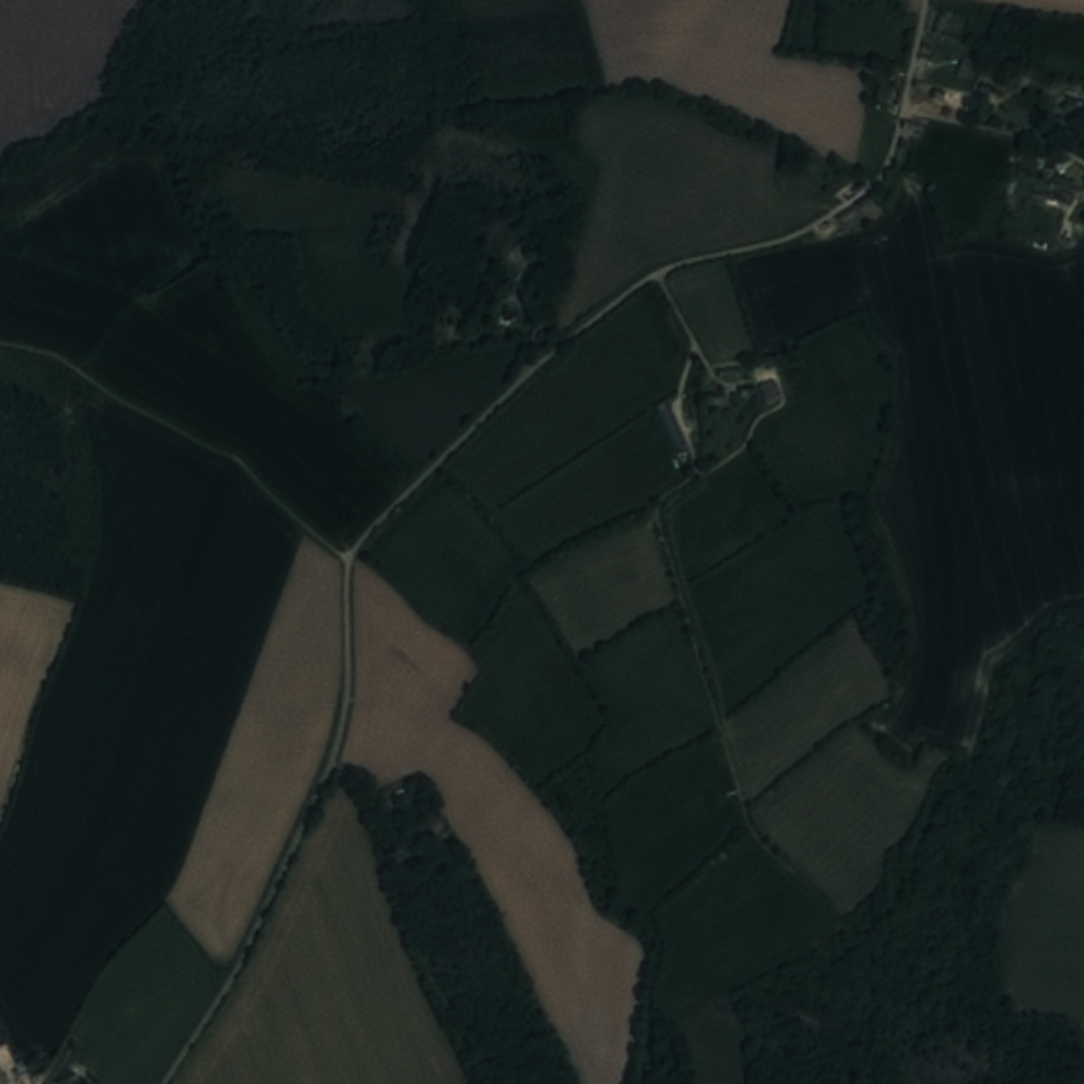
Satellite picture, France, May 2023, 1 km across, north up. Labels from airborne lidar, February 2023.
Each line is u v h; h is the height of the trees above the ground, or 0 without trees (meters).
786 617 0
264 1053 0
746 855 0
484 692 0
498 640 0
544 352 11
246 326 6
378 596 0
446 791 0
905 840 8
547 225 15
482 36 0
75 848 0
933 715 0
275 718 0
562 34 0
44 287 0
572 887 0
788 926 0
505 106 11
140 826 0
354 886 0
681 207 0
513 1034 17
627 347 0
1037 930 0
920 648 0
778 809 0
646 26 0
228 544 0
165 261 0
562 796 10
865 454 0
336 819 0
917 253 0
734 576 0
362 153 15
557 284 18
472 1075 15
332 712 0
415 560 0
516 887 0
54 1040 0
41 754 0
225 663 0
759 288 0
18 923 0
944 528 0
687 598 0
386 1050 0
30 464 13
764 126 14
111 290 0
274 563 0
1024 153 14
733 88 0
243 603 0
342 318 0
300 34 7
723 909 0
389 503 0
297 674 0
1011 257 0
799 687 0
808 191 0
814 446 0
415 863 14
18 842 0
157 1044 0
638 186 0
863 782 0
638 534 0
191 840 0
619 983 0
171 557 0
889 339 0
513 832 0
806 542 0
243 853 0
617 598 0
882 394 0
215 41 11
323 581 0
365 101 8
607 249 0
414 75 11
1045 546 0
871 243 0
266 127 11
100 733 0
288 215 0
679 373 0
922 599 0
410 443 0
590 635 0
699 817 0
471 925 18
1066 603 0
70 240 0
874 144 0
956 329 0
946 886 9
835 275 0
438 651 0
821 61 12
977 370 0
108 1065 0
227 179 0
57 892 0
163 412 0
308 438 0
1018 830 24
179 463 0
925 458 0
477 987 18
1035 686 9
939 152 0
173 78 13
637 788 0
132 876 0
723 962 0
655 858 0
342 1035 0
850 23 0
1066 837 0
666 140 0
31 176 11
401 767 0
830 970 6
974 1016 15
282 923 0
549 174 15
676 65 0
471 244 15
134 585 0
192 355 0
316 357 18
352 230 0
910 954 9
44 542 15
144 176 0
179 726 0
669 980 0
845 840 0
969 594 0
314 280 0
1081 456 0
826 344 0
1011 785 12
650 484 0
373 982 0
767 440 0
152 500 0
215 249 14
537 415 0
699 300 0
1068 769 18
